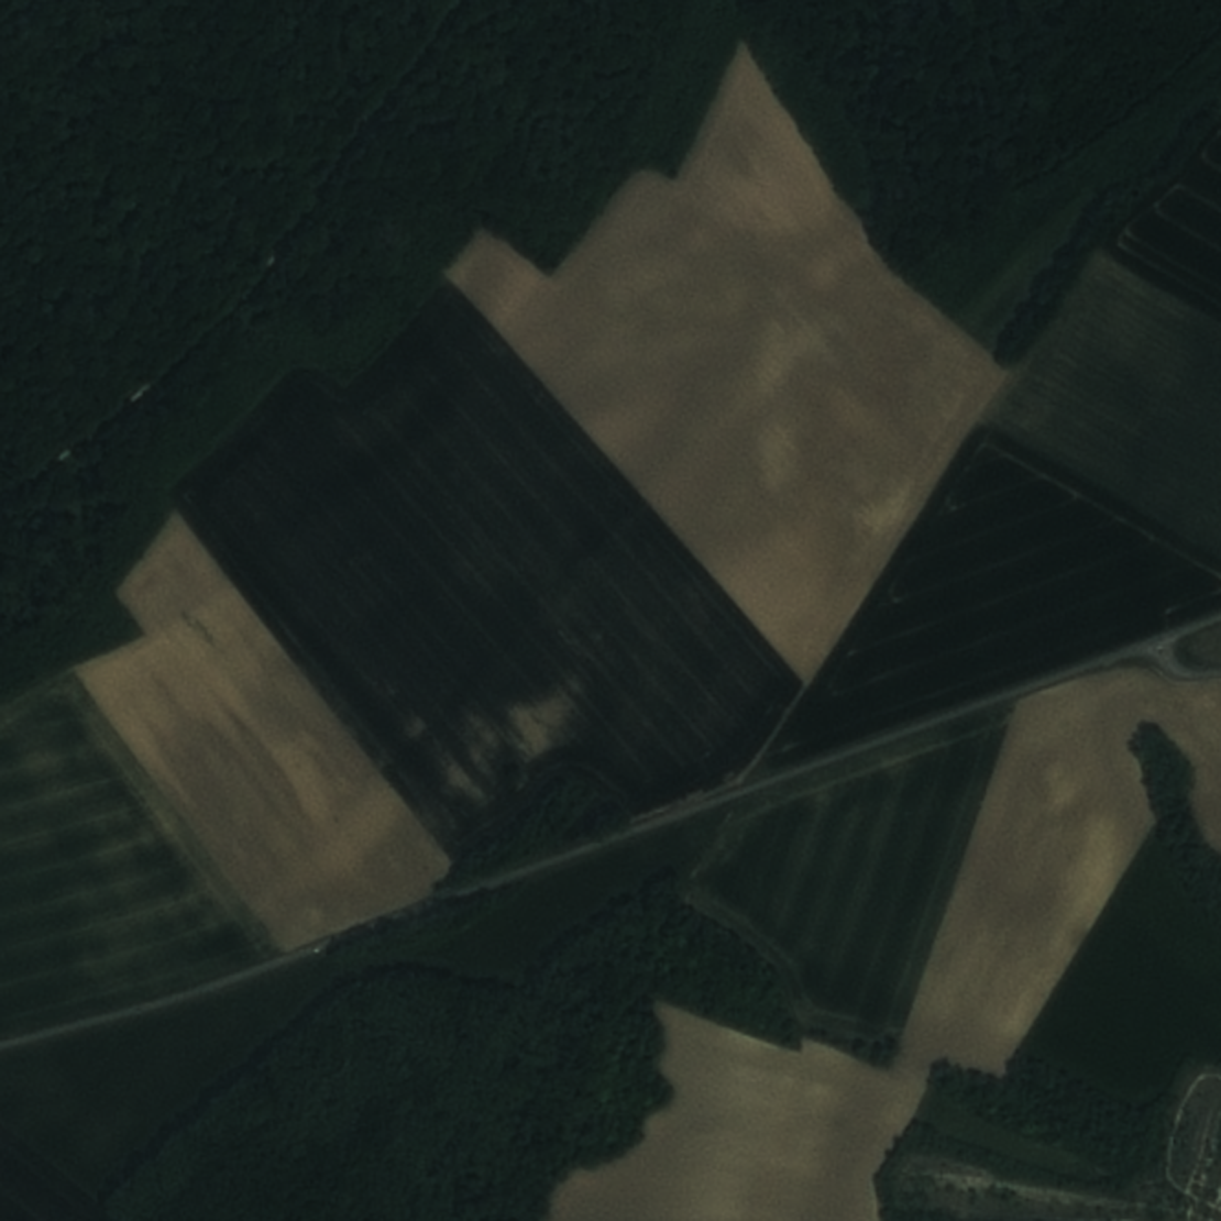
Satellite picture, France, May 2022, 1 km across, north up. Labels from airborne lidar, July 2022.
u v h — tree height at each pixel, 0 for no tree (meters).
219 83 25
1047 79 10
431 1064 29
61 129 26
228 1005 0
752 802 0
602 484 0
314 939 0
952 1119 0
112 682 0
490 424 0
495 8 22
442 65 20
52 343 29
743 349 0
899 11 26
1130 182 12
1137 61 8
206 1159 22
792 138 0
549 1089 21
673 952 19
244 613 0
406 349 0
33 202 22
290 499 0
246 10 31
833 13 29
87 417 29
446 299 0
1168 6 11
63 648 11
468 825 0
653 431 0
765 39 9
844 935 0
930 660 0
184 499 0
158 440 15
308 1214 24
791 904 0
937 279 11
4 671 10
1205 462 0
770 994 11
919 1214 11
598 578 0
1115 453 0
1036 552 0
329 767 0
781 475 0
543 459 0
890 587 0
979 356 0
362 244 25
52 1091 0
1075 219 0
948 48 27
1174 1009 0
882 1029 0
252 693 0
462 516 0
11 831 0
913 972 0
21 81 24
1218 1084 0
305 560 0
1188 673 0
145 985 0
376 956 15
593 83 24
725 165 0
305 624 0
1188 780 15
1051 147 11
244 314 15
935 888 0
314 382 0
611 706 0
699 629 0
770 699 0
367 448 0
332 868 0
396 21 28
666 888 19
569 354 0
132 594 0
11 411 24
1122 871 0
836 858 0
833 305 0
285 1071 23
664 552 0
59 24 24
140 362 24
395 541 0
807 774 0
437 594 0
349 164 22
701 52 9
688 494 0
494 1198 26
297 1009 0
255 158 28
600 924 17
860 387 0
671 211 0
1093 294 0
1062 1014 0
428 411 0
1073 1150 8
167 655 0
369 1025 21
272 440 0
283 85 25
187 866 0
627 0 27
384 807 0
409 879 0
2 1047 0
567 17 21
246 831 0
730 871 0
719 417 0
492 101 24
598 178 23
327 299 23
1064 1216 0
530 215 20
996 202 21
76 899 0
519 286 0
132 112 29
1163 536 0
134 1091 0
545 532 0
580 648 0
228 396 12
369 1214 21
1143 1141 13
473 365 0
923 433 0
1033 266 0
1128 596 0
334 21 29
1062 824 0
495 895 6
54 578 27
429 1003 27
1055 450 0
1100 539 0
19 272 28
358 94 25
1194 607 0
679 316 0
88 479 10
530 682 0
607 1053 20
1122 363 0
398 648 0
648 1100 17
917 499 0
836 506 0
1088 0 10
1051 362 0
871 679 0
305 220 15
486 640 0
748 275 0
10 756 0
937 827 0
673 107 9
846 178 11
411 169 32
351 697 0
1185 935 0
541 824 13
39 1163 0
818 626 0
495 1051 30
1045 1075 8
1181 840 14
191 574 0
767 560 0
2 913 0
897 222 22
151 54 27
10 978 0
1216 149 0
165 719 0
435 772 0
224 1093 21
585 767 0
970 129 26
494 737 0
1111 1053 0
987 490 0
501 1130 26
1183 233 0
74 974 0
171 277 26
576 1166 16
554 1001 24
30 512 14
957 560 0
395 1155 28
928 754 0
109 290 21
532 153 25
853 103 24
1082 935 0
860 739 0
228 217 20
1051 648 0
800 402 0
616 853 0
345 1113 27
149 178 27
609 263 0
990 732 0
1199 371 0
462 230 10
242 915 0
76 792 0
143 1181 24
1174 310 0
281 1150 20
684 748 0
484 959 0
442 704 0
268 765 0
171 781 0
